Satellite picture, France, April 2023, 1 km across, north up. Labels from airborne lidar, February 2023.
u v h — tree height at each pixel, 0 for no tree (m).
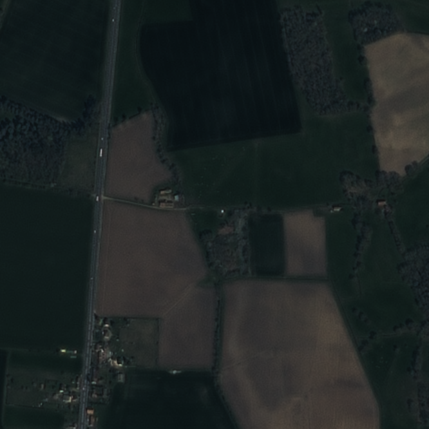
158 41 0
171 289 0
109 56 0
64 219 0
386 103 0
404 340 0
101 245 0
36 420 0
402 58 0
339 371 0
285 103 0
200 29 0
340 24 0
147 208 0
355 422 0
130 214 0
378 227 0
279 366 0
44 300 0
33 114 11
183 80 0
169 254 0
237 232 6
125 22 0
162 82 0
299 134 0
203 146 0
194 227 0
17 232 0
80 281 0
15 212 0
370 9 23
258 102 0
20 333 0
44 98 0
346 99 6
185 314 0
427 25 0
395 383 0
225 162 0
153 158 0
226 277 12
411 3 0
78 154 0
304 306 0
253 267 0
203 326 0
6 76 0
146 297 0
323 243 0
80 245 0
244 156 0
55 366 0
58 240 0
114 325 15
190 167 0
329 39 0
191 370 0
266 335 0
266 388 0
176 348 0
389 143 0
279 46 0
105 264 0
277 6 0
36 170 16
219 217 0
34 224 0
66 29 0
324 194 0
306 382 0
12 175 11
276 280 0
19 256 0
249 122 0
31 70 0
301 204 0
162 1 0
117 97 0
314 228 0
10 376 10
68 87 0
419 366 15
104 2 0
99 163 0
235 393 0
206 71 0
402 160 0
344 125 0
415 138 0
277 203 0
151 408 0
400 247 11
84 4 0
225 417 0
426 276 20
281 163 0
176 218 0
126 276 0
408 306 0
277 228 0
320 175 0
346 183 21
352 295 0
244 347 0
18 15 0
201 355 0
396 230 11
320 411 0
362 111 15
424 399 0
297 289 0
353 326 0
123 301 0
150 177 0
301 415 0
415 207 0
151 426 0
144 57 0
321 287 0
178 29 0
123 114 0
